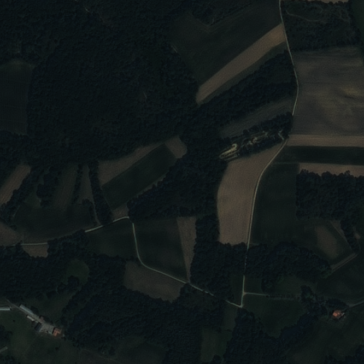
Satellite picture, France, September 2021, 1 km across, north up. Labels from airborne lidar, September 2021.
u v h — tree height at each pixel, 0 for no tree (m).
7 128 0
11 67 0
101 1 7
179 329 14
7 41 21
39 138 22
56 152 19
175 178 22
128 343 0
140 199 16
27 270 23
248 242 0
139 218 21
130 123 19
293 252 26
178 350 18
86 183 0
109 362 0
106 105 26
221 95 9
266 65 7
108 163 0
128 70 16
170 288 0
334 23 9
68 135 12
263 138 0
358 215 10
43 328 0
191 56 0
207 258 25
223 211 0
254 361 7
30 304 0
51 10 23
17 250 18
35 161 25
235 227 0
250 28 0
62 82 23
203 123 18
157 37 16
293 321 0
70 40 20
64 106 28
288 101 0
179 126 20
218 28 0
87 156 25
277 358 20
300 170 0
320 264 30
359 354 21
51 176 12
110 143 20
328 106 0
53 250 18
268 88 18
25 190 20
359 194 20
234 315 0
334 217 11
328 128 0
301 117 0
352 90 0
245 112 12
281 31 0
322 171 0
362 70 0
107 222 17
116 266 18
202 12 12
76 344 11
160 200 23
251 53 0
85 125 15
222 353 0
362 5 0
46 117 24
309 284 0
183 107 16
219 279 18
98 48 19
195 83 15
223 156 0
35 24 16
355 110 0
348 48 0
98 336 22
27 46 27
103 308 20
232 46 0
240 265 17
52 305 0
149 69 14
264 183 0
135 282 0
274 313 0
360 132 0
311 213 19
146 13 18
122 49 25
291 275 13
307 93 0
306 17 0
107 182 0
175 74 24
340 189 15
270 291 22
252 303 0
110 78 19
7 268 19
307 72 0
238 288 0
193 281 13
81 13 25
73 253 22
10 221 14
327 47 12
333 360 16
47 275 23
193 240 0
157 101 13
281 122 12
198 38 0
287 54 12
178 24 0
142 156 0
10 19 19
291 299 9
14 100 0
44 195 17
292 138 0
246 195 0
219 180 14
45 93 23
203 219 0
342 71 0
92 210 12
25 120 0
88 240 17
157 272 0
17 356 0
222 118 19
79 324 20
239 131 0
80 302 16
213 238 16
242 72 0
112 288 18
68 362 0
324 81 0
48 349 0
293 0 8
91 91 21
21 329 0
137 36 20
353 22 15
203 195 18
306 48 10
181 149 0
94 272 16
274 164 0
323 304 7
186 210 12
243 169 0
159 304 25
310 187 13
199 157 24
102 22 13
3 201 0
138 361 0
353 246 17
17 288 22
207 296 9
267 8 0
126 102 21
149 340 16
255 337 18
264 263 15
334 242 0
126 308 14
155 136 24
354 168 0
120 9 18
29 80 0
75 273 0
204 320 24
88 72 19
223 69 0
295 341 26
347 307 8
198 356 20
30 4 27
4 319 0
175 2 14
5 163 22
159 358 0
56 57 19
